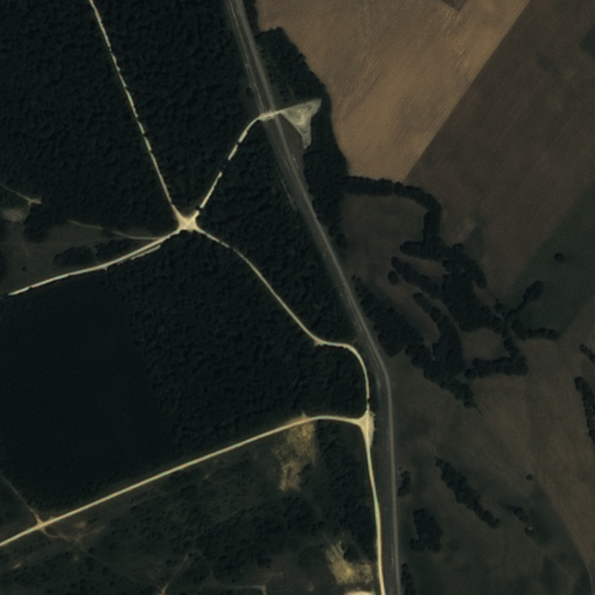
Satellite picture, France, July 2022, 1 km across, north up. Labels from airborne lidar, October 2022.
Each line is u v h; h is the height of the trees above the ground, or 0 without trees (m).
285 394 23
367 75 0
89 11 27
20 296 6
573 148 0
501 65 0
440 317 20
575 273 0
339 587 0
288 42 16
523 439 0
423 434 0
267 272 17
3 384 12
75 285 11
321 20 0
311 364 14
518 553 0
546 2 0
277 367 20
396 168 0
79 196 20
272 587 0
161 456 10
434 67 0
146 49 28
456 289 20
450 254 16
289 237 25
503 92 0
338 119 0
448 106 0
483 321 20
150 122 20
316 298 23
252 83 0
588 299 0
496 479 0
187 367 18
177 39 24
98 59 27
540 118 0
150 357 16
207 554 9
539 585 0
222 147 7
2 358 11
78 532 0
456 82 0
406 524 0
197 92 9
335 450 16
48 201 10
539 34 0
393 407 0
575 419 0
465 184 0
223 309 24
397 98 0
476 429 0
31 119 28
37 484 11
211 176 9
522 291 0
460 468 0
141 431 12
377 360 0
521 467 0
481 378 11
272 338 24
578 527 0
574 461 0
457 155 0
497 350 0
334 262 0
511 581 0
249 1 10
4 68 24
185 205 23
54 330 12
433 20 0
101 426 11
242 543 7
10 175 13
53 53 25
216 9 21
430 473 0
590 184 0
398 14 0
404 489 9
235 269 25
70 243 0
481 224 0
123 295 8
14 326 13
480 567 0
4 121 15
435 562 0
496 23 0
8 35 22
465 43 0
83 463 13
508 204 0
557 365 0
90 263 9
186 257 24
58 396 12
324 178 17
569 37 0
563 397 0
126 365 11
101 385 10
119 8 29
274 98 0
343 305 7
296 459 0
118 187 21
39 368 11
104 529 0
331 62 0
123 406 11
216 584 0
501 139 0
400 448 0
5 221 5
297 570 0
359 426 0
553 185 0
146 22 24
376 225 0
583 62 0
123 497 0
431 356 9
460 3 0
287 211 17
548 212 0
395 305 0
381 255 0
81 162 24
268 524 8
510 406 0
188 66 28
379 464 0
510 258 0
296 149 0
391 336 16
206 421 23
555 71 0
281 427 0
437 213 20
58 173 16
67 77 23
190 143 22
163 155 21
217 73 15
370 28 0
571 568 0
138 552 0
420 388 0
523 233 0
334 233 16
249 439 0
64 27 28
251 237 22
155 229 13
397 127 0
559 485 0
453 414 0
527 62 0
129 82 23
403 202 0
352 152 0
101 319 10
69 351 11
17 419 13
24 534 0
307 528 7
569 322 0
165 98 20
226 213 23
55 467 14
